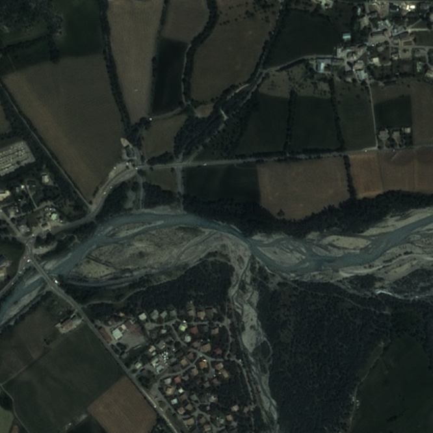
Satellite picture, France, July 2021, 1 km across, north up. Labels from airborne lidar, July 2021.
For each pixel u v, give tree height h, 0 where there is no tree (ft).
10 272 0
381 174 0
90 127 0
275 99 0
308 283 25
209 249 0
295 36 0
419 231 0
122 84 0
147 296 36
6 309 0
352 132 0
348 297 29
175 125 0
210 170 0
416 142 0
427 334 39
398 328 43
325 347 24
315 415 27
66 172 24
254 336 0
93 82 0
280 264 0
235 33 0
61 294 0
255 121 0
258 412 26
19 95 0
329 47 0
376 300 26
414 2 0
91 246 0
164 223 0
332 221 27
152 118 0
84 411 0
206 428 0
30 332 0
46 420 0
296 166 0
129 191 0
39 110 0
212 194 0
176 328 33
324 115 0
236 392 31
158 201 19
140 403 0
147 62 0
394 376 0
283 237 0
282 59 0
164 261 0
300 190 0
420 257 0
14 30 0
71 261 0
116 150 0
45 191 41
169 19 0
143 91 0
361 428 0
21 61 0
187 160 0
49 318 0
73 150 0
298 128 0
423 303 27
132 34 0
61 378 0
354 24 28
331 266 0
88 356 0
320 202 0
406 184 0
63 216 22
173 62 0
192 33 0
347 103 0
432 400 0
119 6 0
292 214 0
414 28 0
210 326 19
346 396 41
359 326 26
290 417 25
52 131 0
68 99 0
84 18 0
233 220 37
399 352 0
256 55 0
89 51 0
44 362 0
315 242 0
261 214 99
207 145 66
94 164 0
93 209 0
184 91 24
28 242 0
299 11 25
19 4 18
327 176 0
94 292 45
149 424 0
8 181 26
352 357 33
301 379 20
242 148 0
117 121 0
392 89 0
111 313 34
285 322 26
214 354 29
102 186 0
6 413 0
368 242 0
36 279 0
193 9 0
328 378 21
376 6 0
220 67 0
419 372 0
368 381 0
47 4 20
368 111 0
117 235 0
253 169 0
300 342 27
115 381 0
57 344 0
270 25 0
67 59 0
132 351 0
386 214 33
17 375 0
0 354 0
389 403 0
